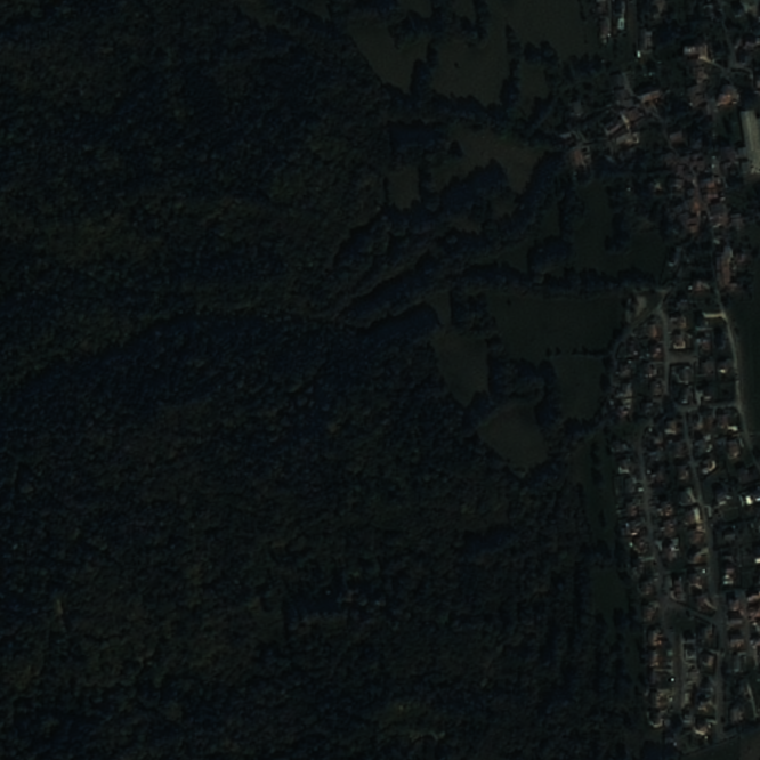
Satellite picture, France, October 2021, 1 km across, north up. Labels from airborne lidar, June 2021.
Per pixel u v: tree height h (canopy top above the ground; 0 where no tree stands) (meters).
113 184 30
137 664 28
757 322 0
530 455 0
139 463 23
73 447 28
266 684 32
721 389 0
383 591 14
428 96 19
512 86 9
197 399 25
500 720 21
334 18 17
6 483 19
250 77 15
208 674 29
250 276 24
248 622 29
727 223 7
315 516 25
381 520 19
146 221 30
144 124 28
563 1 0
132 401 27
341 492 27
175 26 19
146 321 27
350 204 24
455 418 26
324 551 29
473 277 17
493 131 13
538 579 15
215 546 30
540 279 16
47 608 15
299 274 26
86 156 23
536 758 18
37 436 22
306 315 18
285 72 21
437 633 24
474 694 15
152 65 26
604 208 0
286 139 19
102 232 22
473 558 24
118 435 26
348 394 21
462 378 0
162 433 24
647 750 0
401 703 27
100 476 23
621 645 10
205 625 31
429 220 22
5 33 23
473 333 18
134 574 21
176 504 29
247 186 13
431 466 28
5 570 27
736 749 0
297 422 25
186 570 34
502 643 17
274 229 20
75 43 17
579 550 15
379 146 20
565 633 6
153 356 30
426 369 17
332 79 21
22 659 21
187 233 20
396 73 0
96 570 25
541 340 0
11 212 25
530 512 11
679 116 14
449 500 26
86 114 29
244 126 21
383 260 21
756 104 15
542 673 20
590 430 13
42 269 25
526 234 13
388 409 28
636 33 0
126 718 31
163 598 29
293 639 23
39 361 27
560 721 17
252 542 28
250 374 17
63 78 19
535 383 18
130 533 28
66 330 21
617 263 0
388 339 23
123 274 24
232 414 28
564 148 10
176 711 33
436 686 20
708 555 0
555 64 19
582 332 0
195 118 30
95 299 23
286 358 17
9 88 30
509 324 0
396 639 20
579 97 9
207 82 26
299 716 28
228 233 20
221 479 27
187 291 17
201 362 22
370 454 25
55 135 30
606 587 0
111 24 21
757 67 8
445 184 0
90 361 34
